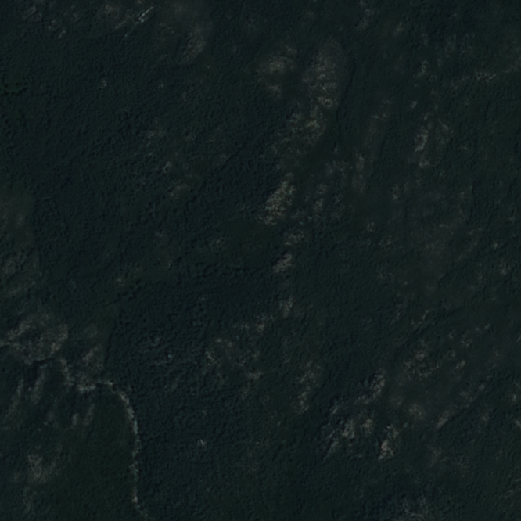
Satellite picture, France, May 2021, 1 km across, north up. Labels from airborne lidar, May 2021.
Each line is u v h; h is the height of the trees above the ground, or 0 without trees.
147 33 6
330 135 6
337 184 7
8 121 20
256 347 8
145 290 21
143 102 11
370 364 8
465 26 6
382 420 6
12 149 18
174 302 10
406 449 11
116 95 11
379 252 10
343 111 14
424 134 7
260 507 6
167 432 12
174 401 16
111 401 8
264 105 14
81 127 12
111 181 11
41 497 6
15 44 16
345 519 6
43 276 14
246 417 11
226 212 14
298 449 6
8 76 17
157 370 16
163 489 6
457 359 8
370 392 9
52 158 24
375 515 18
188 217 14
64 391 6
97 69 13
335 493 9
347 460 11
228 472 9
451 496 11
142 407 19
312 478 13
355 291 12
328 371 6
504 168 8
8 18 13
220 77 12
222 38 7
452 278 14
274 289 10
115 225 16
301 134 12
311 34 9
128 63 10
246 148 14
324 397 18
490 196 11
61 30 9
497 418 12
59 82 16
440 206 8
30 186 13
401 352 12
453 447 9
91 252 15
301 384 6
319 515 6
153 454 9
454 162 10
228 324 10
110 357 17
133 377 18
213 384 17
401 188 10
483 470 11
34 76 14
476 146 13
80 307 15
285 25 8
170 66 8
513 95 11
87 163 12
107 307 13
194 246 12
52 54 16
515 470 10
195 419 13
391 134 9
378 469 9
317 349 7
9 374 8
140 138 15
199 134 9
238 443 12
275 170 9
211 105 12
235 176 11
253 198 12
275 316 9
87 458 6
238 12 13
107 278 14
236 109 8
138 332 15
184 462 14
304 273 12
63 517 10
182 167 7
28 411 6
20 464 11
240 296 16
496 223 9
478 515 15
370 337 10
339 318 11
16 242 15
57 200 18
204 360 17
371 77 8
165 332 10
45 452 14
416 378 17
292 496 8
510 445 10
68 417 7
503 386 12
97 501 11
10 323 13
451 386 0
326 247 11
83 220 17
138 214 11
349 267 7
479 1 8
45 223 20
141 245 13
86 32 13
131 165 10
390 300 10
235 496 13
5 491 13
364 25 7
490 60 6
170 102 11
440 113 6
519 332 10
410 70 6
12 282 15
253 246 10
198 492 11
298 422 12
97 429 9
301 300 11
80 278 14
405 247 8
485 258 12
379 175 12
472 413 11
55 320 6
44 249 17
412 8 6
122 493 7
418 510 13
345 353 15
